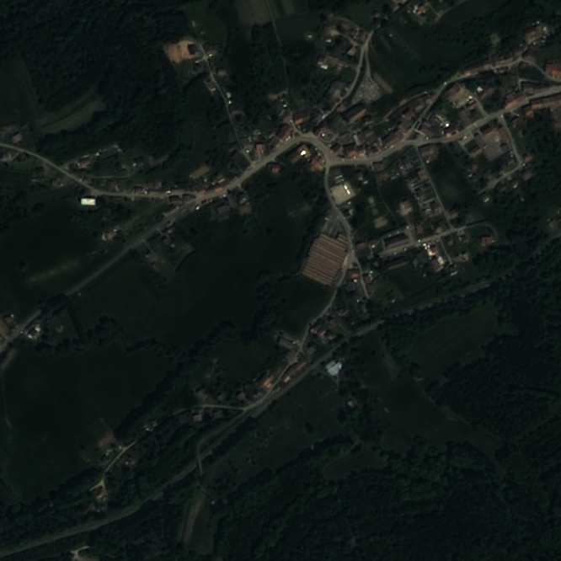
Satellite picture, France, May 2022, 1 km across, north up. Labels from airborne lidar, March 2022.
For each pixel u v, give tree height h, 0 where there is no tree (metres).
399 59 0
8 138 0
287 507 20
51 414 0
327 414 0
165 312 0
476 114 10
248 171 0
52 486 0
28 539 16
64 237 0
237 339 18
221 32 0
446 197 0
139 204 0
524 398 14
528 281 26
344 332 0
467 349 0
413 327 19
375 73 0
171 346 0
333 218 0
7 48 13
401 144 0
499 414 14
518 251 22
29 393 0
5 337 0
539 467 13
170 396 19
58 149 19
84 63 15
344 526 17
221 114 10
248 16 0
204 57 0
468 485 10
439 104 6
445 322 0
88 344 17
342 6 24
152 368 0
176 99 16
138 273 0
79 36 18
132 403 0
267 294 21
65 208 0
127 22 25
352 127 0
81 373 0
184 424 0
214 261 0
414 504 17
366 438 24
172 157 11
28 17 30
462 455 23
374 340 0
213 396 8
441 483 21
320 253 0
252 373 0
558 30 6
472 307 14
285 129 0
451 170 0
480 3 0
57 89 14
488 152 0
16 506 22
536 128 20
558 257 16
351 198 0
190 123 0
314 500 14
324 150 0
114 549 24
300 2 0
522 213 8
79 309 0
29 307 0
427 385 0
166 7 7
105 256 0
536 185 6
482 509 18
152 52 20
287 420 0
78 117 0
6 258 0
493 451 0
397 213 0
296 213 0
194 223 0
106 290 0
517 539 9
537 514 22
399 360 14
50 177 0
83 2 18
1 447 0
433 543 15
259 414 0
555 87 0
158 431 13
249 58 0
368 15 0
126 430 17
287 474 13
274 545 14
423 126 0
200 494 0
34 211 11
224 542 19
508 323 12
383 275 12
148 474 7
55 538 0
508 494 21
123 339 11
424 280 0
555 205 0
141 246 0
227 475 10
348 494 15
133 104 25
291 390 0
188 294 0
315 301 0
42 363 0
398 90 0
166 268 0
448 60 0
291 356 0
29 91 0
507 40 11
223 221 0
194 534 0
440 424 0
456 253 0
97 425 0
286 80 0
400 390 0
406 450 0
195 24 0
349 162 0
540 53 0
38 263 0
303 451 0
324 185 0
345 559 23
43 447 0
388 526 9
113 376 0
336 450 7
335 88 0
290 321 0
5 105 0
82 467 0
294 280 0
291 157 0
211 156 0
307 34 0
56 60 18
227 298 0
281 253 0
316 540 17
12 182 0
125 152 10
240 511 10
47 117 0
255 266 0
